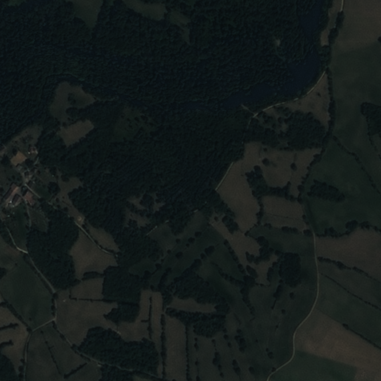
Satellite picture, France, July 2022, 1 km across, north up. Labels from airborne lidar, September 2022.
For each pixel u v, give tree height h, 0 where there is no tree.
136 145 18
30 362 0
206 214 8
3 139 9
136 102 35
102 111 21
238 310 0
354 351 0
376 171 0
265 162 13
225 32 19
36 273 10
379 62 0
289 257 18
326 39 0
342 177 0
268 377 0
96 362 0
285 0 27
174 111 25
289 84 16
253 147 0
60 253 14
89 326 0
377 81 0
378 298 0
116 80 33
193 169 16
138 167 17
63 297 0
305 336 0
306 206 0
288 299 0
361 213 0
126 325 0
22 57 25
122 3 24
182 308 0
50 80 12
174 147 19
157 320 0
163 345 7
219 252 0
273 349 0
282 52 11
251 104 8
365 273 6
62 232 15
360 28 0
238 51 30
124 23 21
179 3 6
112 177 14
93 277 7
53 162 11
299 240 0
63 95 0
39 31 24
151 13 0
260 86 15
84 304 0
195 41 15
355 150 0
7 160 17
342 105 0
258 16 28
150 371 13
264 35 14
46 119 14
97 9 0
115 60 32
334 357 0
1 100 17
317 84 0
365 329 0
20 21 19
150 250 10
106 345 15
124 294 17
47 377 0
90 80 24
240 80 29
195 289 16
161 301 0
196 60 16
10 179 9
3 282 0
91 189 21
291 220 0
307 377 0
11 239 8
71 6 20
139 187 19
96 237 0
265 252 14
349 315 0
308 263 0
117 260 12
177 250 0
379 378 0
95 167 20
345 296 0
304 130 13
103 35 25
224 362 0
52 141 19
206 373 0
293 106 0
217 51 15
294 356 0
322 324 0
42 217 0
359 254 0
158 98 29
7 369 21
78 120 7
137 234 19
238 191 0
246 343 12
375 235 0
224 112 12
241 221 0
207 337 9
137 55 20
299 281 16
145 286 9
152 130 0
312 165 9
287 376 0
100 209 19
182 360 0
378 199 0
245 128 10
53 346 0
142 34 30
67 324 0
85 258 0
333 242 0
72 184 0
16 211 0
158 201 13
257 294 0
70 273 11
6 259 0
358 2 0
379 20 0
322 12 18
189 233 0
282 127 14
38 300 0
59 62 23
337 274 0
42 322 0
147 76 32
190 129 17
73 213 0
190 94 32
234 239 0
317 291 0
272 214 0
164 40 31
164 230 0
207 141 10
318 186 12
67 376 12
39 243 14
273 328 0
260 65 29
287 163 0
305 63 29
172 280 0
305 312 0
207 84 26
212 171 13
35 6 33
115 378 18
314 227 0
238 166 0
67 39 22
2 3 18
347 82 0
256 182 20
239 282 16
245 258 0
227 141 11
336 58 0
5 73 25
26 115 16
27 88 27
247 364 0
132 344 15
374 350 0
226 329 11
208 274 0
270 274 14
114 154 15
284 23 32
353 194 0
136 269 0
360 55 0
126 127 0
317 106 0
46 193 0
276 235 0
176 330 0
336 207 0
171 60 29
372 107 14
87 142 17
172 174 13
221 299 17
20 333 0
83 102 0
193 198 13
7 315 0
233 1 25
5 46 25
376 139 0
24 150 0
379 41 9
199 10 9
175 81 40
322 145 9
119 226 12
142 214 17
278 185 0
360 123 0
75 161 19
